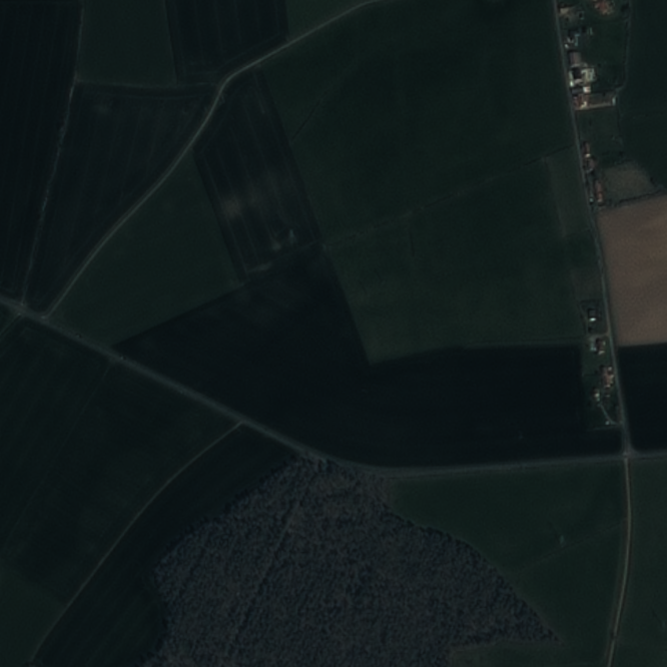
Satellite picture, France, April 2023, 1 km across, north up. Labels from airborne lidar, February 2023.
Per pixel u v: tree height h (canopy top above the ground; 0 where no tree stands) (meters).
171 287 0
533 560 0
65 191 0
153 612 0
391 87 0
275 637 19
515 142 0
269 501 19
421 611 16
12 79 0
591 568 0
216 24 0
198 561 14
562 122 0
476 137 0
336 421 0
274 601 17
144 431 0
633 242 0
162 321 0
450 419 0
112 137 0
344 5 0
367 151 0
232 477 0
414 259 0
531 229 0
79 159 0
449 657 18
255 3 0
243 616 11
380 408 0
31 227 0
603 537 0
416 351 0
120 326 0
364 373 0
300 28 0
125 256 0
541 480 0
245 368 0
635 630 0
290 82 0
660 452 0
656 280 0
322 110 0
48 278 0
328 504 16
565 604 0
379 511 16
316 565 13
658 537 0
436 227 0
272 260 0
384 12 0
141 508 0
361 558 19
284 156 0
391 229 0
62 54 0
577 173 0
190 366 0
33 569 0
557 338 0
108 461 0
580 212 0
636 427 0
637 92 0
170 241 0
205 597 21
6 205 0
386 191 0
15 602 0
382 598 14
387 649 19
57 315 0
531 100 0
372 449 0
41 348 0
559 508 0
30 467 0
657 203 0
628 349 0
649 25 0
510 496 0
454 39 0
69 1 0
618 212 0
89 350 0
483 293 0
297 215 0
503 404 0
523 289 0
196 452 0
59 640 0
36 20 0
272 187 0
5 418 0
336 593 20
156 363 0
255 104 0
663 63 0
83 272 0
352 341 0
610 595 0
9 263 0
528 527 0
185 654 12
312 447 0
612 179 0
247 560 18
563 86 0
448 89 0
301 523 11
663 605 0
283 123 0
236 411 0
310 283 0
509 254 0
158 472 0
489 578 16
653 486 0
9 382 0
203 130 0
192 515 0
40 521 0
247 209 0
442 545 17
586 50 0
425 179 0
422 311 0
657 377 0
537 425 0
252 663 19
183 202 0
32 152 0
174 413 0
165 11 0
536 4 0
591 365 0
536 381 0
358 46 0
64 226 0
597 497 0
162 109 0
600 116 0
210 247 0
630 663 0
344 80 0
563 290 0
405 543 11
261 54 0
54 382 0
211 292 0
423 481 0
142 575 0
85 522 0
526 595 0
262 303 0
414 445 0
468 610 15
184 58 0
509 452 0
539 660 0
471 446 0
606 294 0
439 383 0
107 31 0
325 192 0
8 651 0
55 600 0
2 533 0
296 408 0
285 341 0
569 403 0
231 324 0
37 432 0
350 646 14
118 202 0
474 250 0
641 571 0
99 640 0
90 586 0
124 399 0
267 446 0
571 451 0
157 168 0
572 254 0
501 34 0
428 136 0
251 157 0
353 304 0
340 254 0
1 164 0
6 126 0
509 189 0
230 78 0
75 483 0
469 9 0
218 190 0
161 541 0
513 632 13
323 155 0
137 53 0
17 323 0
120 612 0
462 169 0
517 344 0
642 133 0
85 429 0
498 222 0
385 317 0
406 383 0
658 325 0
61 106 0
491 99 0
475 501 0
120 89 0
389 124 0
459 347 0
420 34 0
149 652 0
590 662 0
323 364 0
